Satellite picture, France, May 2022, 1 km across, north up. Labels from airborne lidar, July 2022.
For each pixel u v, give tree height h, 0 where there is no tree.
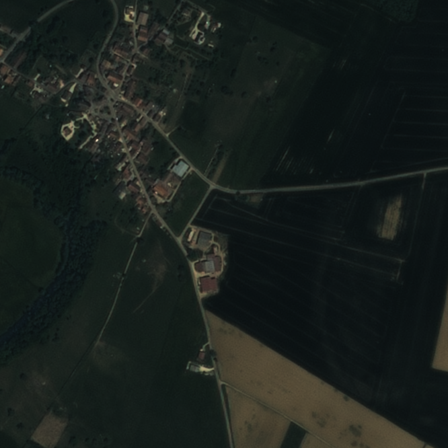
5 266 0
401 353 0
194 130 0
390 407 0
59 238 0
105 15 12
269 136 0
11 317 0
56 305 29
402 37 0
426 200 0
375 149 0
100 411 0
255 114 0
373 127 0
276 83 0
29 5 0
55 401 0
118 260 0
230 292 0
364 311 0
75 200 9
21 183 19
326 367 0
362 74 0
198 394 0
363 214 0
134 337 0
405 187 0
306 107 0
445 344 0
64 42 14
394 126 0
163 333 0
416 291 0
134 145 0
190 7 8
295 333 0
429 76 0
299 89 0
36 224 0
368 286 0
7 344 30
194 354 0
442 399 0
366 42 0
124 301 0
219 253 0
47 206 19
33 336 27
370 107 0
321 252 0
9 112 0
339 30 0
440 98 0
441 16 0
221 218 0
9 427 0
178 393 0
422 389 0
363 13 0
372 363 0
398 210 0
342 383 0
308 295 0
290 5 0
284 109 0
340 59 0
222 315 0
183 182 7
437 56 0
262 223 0
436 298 0
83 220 18
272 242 0
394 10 24
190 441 0
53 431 0
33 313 21
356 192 0
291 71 0
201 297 0
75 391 0
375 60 0
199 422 0
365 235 0
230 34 0
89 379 0
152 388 0
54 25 16
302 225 0
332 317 0
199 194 0
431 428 0
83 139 15
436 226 0
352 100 0
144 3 0
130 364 0
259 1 0
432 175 0
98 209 0
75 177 7
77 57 18
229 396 0
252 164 0
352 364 0
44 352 0
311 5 0
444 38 0
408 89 0
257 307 0
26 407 0
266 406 0
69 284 26
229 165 0
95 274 0
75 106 0
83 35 0
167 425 0
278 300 0
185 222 0
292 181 0
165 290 0
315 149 0
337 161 0
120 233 0
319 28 0
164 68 6
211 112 0
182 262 0
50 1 0
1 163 18
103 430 0
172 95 0
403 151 0
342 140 0
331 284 0
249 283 0
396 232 0
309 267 0
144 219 0
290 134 0
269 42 0
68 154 24
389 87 0
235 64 0
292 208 0
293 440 0
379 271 0
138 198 0
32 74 0
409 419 0
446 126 0
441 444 0
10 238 0
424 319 0
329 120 0
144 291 0
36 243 0
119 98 0
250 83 0
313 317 0
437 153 0
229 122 0
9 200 0
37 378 0
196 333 0
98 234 25
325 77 0
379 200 0
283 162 0
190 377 0
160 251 0
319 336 0
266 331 0
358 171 0
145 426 0
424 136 0
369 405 0
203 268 0
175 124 0
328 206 0
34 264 0
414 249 0
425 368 0
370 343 0
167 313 0
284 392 0
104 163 16
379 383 0
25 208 0
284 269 0
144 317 0
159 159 0
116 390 0
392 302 0
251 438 0
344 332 0
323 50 0
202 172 0
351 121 0
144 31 0
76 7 0
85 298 0
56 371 0
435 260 0
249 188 0
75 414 0
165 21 12
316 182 0
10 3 0
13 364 0
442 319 0
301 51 0
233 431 0
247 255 0
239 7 0
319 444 0
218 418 0
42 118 7
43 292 14
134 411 0
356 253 0
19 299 0
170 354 0
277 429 0
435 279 0
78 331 0
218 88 0
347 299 0
